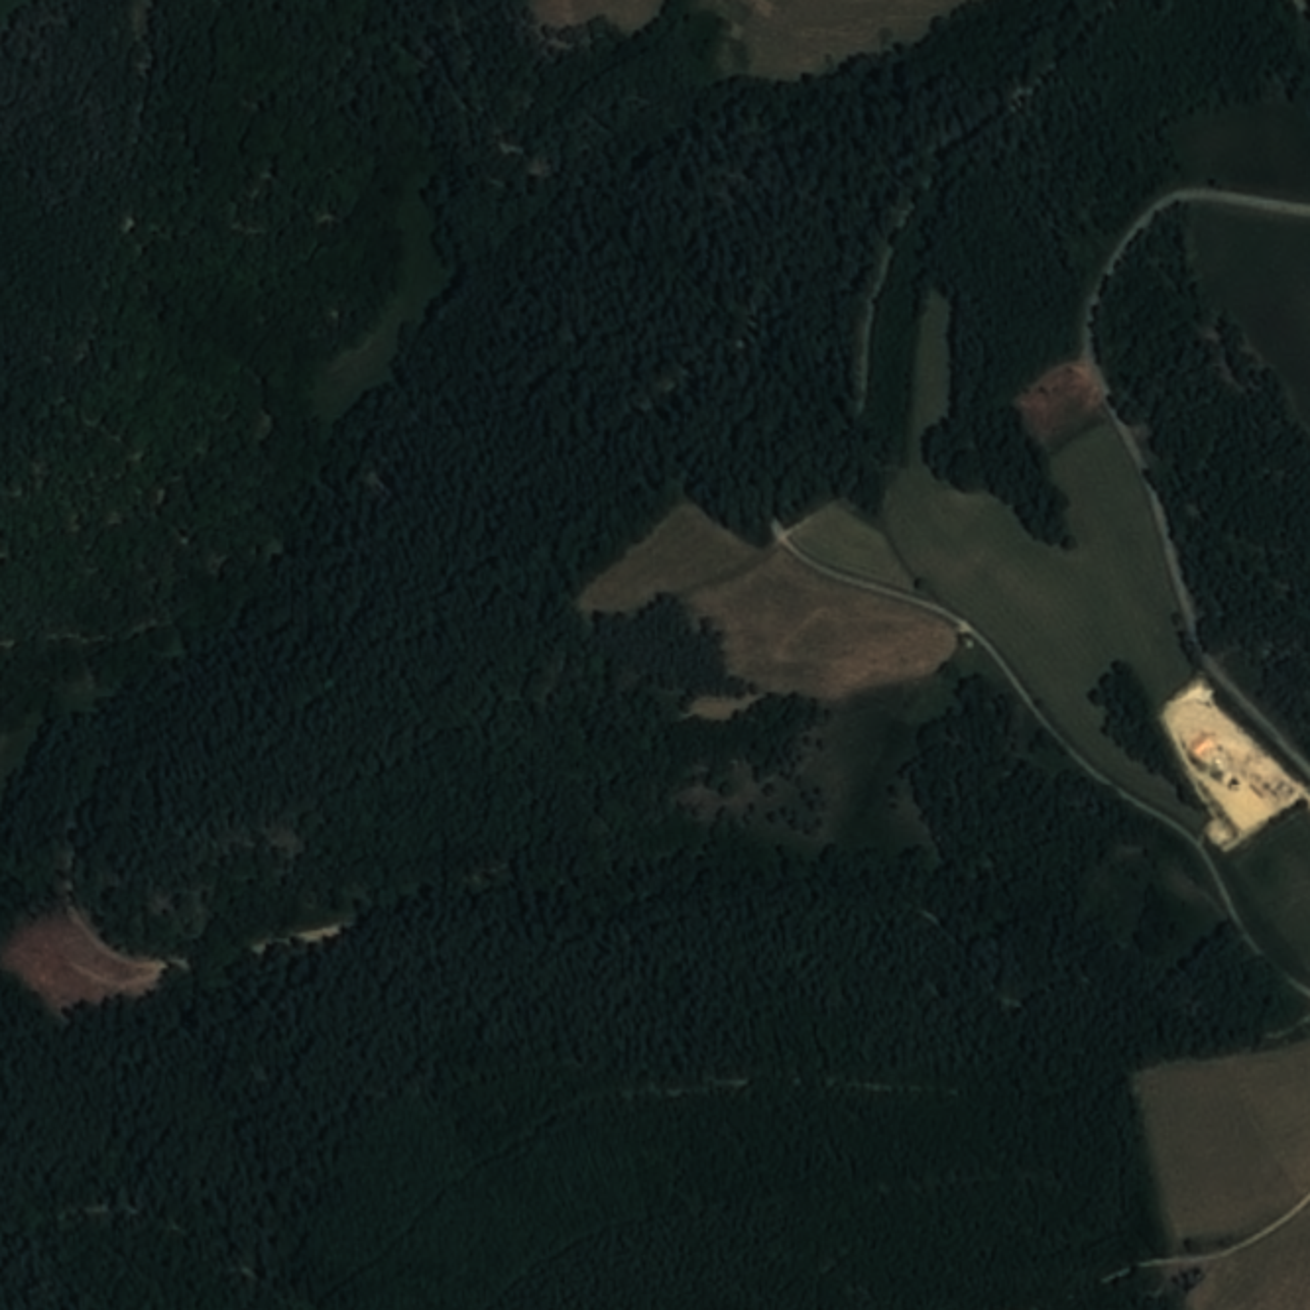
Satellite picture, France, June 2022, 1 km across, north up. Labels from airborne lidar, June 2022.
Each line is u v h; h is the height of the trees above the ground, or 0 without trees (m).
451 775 21
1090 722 0
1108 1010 14
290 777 19
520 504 20
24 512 16
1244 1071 0
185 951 20
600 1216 13
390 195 29
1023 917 27
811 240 23
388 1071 24
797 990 17
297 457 27
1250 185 0
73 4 17
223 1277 8
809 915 17
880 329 6
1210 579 19
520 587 27
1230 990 25
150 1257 10
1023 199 22
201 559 22
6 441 17
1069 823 19
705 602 0
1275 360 0
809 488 16
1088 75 9
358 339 20
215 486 23
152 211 17
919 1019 21
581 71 23
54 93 15
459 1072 9
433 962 23
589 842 21
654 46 27
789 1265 11
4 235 17
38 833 27
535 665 20
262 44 23
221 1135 22
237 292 23
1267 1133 0
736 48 0
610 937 15
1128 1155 15
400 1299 17
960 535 0
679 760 16
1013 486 20
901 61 14
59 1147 23
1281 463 20
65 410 14
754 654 0
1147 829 22
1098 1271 9
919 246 7
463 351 22
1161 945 7
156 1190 26
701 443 27
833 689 0
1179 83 9
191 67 21
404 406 29
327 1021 22
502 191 11
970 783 18
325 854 12
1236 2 14
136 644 20
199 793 16
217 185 23
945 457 21
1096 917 9
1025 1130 14
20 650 18
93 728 27
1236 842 0
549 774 16
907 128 33
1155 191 14
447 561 21
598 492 25
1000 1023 19
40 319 14
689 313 25
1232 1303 0
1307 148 0
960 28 15
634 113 31
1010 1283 11
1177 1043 22
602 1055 12
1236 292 0
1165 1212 0
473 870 23
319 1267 14
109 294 11
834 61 0
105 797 18
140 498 15
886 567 0
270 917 26
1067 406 0
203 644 23
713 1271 14
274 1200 15
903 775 12
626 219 10
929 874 17
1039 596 0
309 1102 19
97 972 0
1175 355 8
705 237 19
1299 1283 0
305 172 20
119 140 16
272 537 19
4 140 16
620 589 0
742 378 27
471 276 36
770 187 25
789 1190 13
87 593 20
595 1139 15
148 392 18
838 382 26
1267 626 21
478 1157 10
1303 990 0
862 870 18
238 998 8
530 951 20
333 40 22
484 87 12
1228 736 0
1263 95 10
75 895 14
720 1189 13
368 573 22
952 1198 12
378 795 20
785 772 10
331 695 17
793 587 0
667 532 0
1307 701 19
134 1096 26
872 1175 10
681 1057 25
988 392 18
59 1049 26
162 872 15
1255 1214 0
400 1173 14
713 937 16
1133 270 14
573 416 26
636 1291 11
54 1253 10
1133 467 0
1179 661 0
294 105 16
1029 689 0
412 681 24
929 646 0
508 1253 14
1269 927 0
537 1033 20
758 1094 10
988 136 29
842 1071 10
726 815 12
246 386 19
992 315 20
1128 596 0
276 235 12
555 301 24
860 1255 9
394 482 20
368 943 27
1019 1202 11
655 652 18
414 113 24
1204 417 12
